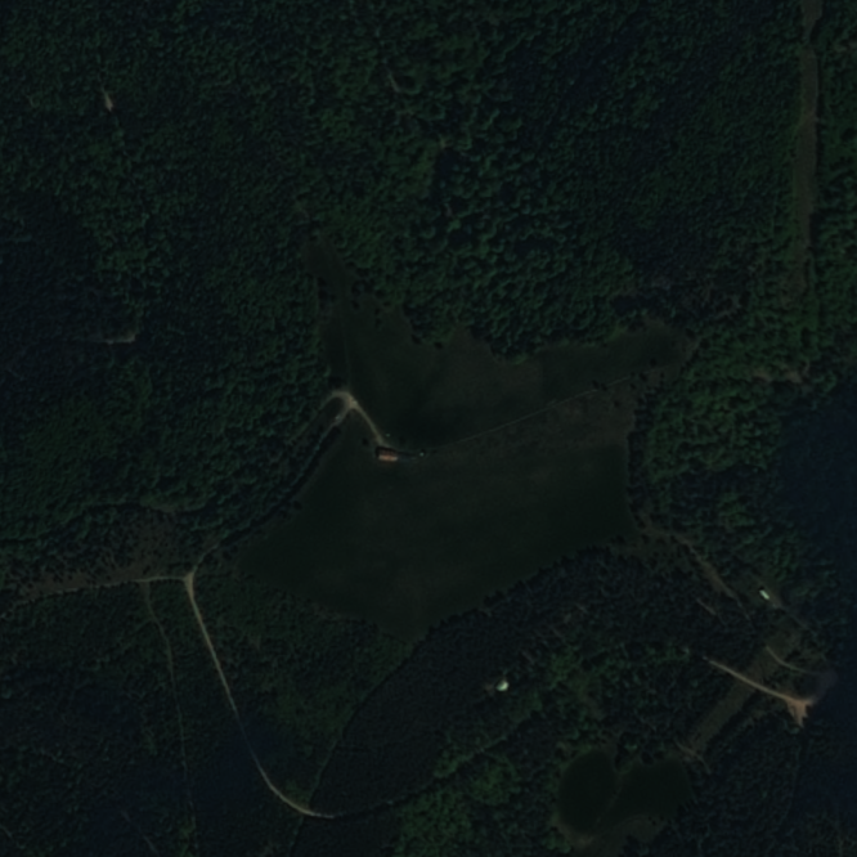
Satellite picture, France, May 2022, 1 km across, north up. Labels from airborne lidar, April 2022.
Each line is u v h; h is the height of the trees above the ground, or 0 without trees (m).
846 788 16
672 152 19
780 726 24
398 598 0
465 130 28
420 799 23
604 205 18
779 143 16
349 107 26
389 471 0
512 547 0
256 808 10
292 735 9
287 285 15
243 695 14
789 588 22
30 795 18
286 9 26
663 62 20
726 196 15
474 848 28
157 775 20
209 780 11
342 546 0
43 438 19
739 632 26
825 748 23
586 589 28
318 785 14
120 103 18
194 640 7
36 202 25
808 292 7
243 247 15
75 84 20
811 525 29
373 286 13
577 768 0
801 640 8
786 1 17
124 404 20
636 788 0
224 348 19
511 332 23
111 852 22
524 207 30
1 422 19
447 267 18
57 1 21
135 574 0
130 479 17
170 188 19
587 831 0
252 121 18
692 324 19
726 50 18
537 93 23
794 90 15
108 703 28
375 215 19
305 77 23
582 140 22
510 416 0
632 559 7
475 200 20
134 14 22
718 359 21
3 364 21
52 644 13
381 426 0
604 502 0
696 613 22
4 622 11
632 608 26
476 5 16
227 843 10
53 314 22
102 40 17
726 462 26
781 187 16
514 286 24
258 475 19
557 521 0
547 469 0
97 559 8
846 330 27
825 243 29
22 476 23
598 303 23
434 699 20
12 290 25
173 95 18
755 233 16
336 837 17
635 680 9
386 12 22
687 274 19
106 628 10
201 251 22
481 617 14
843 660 19
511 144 40
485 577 0
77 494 13
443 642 16
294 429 16
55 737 23
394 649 8
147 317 14
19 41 17
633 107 24
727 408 30
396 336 0
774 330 13
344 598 0
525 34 26
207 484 17
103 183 19
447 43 24
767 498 30
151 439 24
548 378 0
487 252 36
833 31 9
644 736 10
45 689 38
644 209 17
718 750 11
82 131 13
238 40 27
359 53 22
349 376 0
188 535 7
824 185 7
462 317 20
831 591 26
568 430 0
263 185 16
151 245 18
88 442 15
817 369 37
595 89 23
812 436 21
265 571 0
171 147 18
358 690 10
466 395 0
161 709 10
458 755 20
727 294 8
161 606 9
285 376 11
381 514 0
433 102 22
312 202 20
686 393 21
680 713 10
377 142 22
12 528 25
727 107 18
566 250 27
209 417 21
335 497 0
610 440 0
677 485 19
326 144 24
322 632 6
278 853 10
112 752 22
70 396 15
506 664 23
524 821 28
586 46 18
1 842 25
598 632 22
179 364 19
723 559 19
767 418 28
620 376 0
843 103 16
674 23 17
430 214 20
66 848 17
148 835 21
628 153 18
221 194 17
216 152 18
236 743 14
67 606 10
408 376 0
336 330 0
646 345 0
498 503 0
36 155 26
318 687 13
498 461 0
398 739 21
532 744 26
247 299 19
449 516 0
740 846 27
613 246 19
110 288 22
